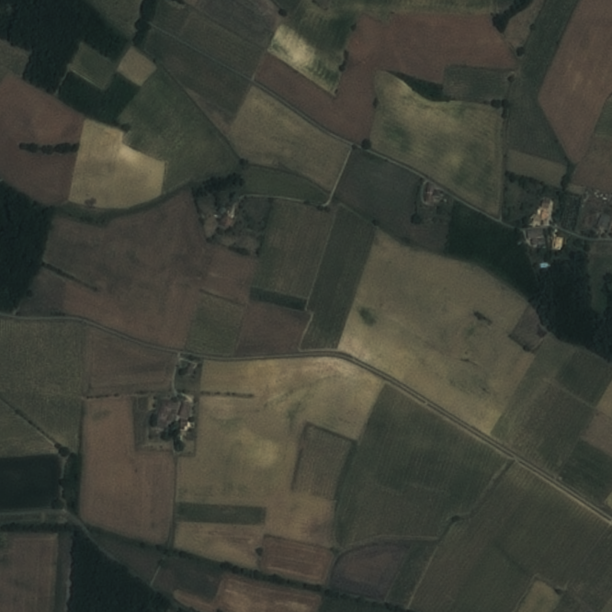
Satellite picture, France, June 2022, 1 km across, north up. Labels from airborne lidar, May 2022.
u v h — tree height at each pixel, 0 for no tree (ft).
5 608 0
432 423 0
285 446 0
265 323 0
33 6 75
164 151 0
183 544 0
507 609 0
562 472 0
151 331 0
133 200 0
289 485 0
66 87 25
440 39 0
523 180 25
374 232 0
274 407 0
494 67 0
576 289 50
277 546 0
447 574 0
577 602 0
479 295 0
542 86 0
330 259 0
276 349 0
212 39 0
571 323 27
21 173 0
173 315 0
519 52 38
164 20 0
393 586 0
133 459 0
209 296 0
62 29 80
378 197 0
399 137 0
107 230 0
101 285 0
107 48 23
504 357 0
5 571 0
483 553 0
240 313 0
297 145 0
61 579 0
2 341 0
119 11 0
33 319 0
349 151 0
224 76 0
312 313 0
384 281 0
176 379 0
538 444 0
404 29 0
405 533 0
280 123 0
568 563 0
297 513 0
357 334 0
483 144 0
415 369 0
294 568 0
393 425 0
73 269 0
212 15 0
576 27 0
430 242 0
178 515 0
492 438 0
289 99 0
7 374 0
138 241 0
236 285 0
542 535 0
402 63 0
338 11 0
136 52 0
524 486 0
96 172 0
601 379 0
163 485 0
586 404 0
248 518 0
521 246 22
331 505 0
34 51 29
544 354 0
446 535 0
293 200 0
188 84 0
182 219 0
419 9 0
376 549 0
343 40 0
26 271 32
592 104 0
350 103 0
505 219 23
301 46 0
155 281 0
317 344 0
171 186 0
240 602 0
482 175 0
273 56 0
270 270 0
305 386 0
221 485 0
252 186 0
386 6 0
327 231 0
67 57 62
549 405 0
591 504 0
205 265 0
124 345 0
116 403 0
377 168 0
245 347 0
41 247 64
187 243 0
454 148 0
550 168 0
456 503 0
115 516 0
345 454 0
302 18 0
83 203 0
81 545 62
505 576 0
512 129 0
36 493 0
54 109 0
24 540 0
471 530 0
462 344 0
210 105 0
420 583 0
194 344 0
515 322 0
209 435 0
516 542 0
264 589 0
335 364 0
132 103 0
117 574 60
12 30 72
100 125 0
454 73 0
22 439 0
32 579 0
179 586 0
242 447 0
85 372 0
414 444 0
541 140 0
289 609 0
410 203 0
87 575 49
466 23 0
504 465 0
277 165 0
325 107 0
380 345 0
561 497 0
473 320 0
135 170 0
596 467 0
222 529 0
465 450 0
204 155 0
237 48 0
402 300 0
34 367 0
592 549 0
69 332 0
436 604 0
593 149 0
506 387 0
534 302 52
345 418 0
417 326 0
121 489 0
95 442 0
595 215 0
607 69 0
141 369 0
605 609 0
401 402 0
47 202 0
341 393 0
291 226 0
